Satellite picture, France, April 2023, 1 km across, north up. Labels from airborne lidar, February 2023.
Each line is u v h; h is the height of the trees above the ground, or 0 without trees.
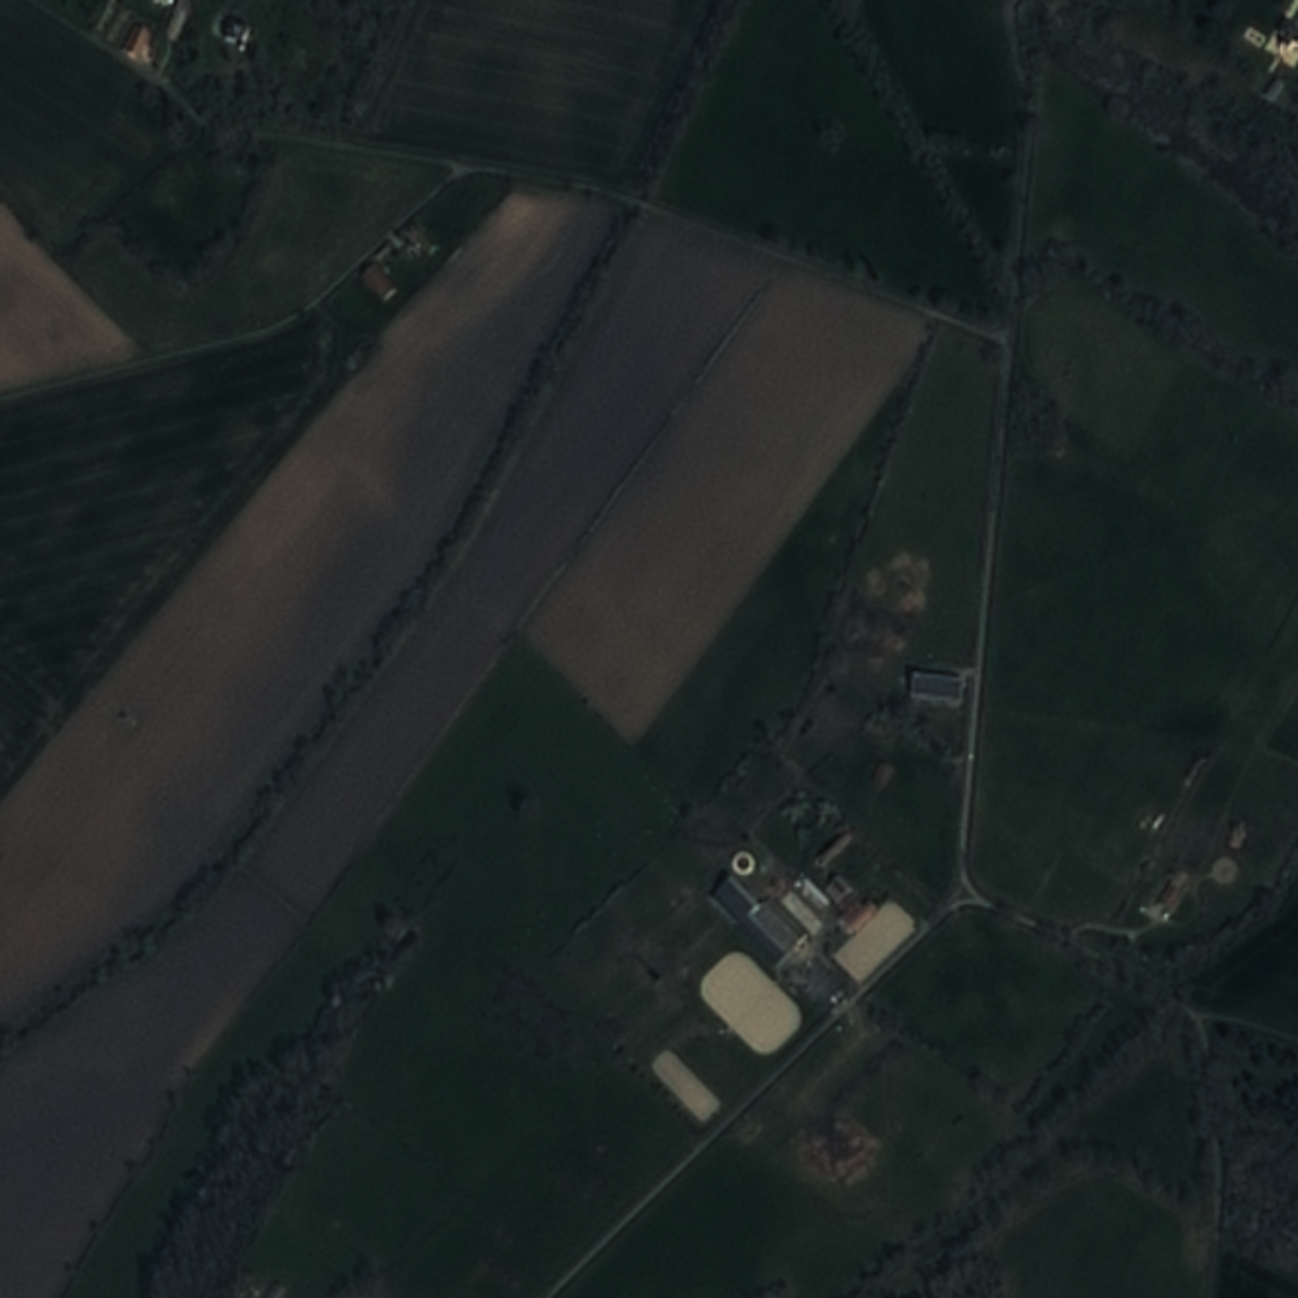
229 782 0
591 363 0
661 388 0
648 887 0
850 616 0
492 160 0
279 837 0
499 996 0
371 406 0
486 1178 0
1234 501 0
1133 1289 0
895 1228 0
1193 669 0
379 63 12
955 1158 0
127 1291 0
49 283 0
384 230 0
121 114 0
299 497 0
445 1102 0
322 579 0
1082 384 0
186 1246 20
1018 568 0
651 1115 0
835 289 0
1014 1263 0
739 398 0
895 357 0
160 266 11
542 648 0
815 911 0
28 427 0
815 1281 0
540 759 0
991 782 0
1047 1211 0
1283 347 0
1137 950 15
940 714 0
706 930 0
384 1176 0
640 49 0
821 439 0
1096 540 0
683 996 0
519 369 0
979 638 0
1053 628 0
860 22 10
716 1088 0
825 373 0
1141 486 0
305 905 0
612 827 0
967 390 0
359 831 0
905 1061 0
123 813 0
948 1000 0
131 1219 0
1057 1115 17
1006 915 15
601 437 0
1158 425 0
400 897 0
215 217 0
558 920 0
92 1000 0
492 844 0
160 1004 0
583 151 0
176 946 0
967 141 8
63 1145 0
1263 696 0
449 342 0
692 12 0
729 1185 0
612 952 0
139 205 0
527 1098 0
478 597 0
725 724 0
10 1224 0
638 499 0
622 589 0
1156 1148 0
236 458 0
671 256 0
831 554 0
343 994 12
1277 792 0
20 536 0
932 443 0
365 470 0
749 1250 0
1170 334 20
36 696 0
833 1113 0
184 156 0
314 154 0
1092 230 0
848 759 0
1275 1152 14
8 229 0
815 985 0
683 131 12
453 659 0
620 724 0
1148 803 0
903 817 0
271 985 0
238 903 0
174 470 0
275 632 0
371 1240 0
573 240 0
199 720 0
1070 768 0
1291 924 0
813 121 0
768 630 0
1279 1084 0
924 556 0
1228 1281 0
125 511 0
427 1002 0
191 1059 0
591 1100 0
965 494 0
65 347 0
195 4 18
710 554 0
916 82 0
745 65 0
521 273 0
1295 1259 14
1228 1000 0
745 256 0
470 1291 0
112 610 0
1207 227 0
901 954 0
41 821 0
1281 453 0
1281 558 0
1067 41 11
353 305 0
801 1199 0
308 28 0
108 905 0
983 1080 14
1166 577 0
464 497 0
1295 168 20
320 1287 0
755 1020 0
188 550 0
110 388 0
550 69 0
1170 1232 0
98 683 0
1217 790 0
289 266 0
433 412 0
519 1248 0
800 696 0
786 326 0
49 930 0
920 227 0
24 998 0
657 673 0
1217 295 0
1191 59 0
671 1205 0
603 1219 0
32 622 0
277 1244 0
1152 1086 0
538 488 0
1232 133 7
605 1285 0
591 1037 0
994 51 0
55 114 0
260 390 0
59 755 0
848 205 0
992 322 16
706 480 0
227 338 0
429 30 0
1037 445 16
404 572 0
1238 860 0
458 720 0
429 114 0
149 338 0
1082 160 0
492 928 0
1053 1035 0
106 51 0
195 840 0
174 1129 0
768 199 0
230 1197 21
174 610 0
